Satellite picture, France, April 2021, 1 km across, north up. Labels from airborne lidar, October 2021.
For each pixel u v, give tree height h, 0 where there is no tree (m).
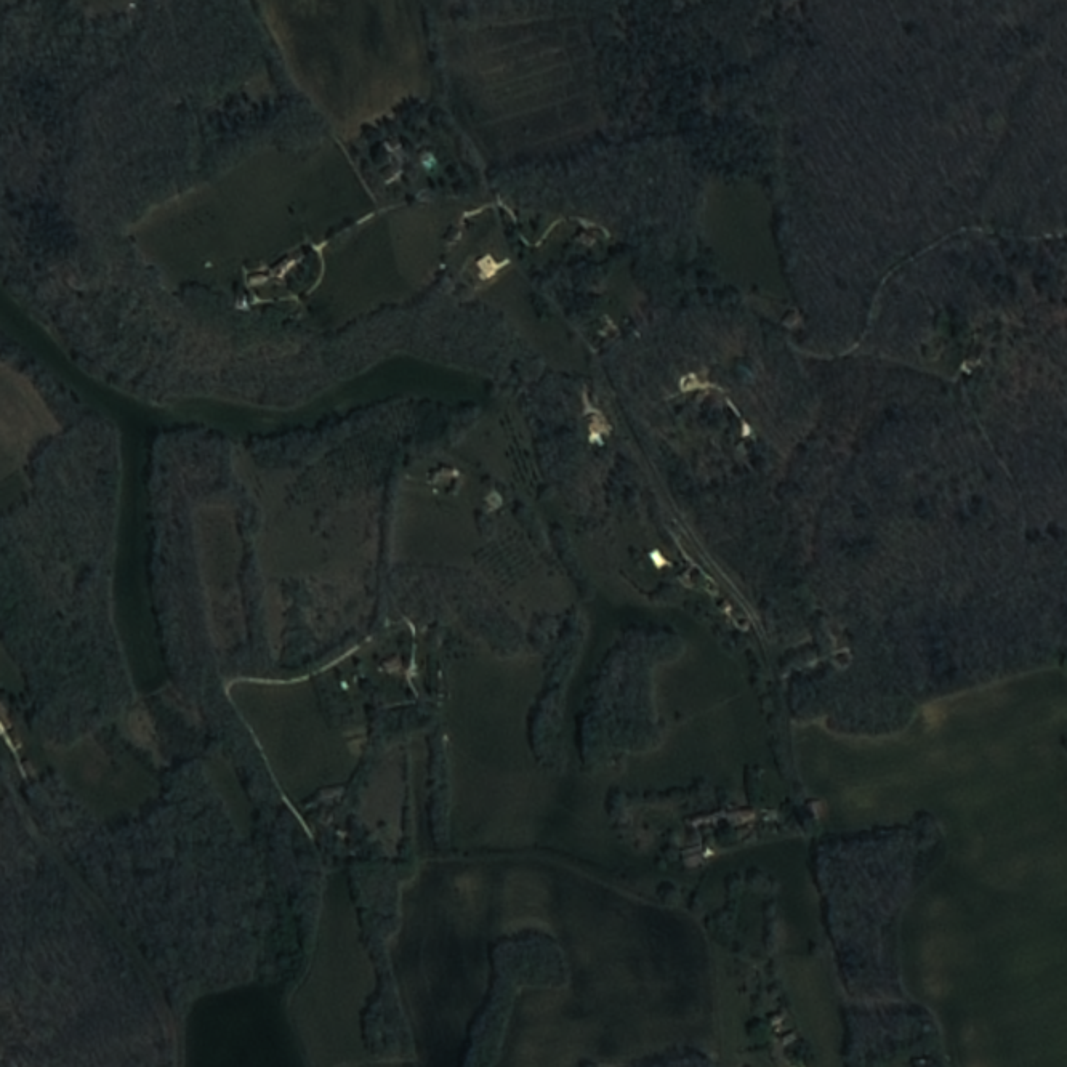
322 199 0
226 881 19
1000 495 14
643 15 8
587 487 14
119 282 9
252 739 14
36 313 15
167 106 14
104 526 18
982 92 17
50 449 14
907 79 16
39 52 15
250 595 16
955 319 22
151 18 16
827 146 19
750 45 13
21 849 21
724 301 18
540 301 6
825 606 18
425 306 17
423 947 0
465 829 0
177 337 9
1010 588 19
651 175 20
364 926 11
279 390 16
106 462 14
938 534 19
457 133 16
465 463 0
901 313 18
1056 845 0
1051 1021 0
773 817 0
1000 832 0
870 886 21
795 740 0
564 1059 0
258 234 0
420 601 14
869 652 19
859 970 21
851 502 17
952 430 12
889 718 18
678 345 20
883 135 18
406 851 11
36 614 18
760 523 8
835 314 18
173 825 24
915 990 0
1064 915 0
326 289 0
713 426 19
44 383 22
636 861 0
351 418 8
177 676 17
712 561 0
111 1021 20
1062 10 12
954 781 0
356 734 0
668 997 0
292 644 7
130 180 16
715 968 0
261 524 10
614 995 0
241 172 0
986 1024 0
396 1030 16
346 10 0
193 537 11
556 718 15
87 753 0
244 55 18
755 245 0
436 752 13
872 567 17
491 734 0
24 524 15
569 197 21
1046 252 16
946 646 24
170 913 26
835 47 15
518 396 12
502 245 0
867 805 0
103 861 24
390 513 16
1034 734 0
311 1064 0
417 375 0
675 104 11
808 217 16
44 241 10
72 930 24
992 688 11
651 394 20
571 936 0
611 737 17
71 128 14
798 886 0
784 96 18
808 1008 0
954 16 16
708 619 7
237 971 23
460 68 0
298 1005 0
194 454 7
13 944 21
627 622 0
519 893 0
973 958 0
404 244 0
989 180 10
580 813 0
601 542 0
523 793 0
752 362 17
